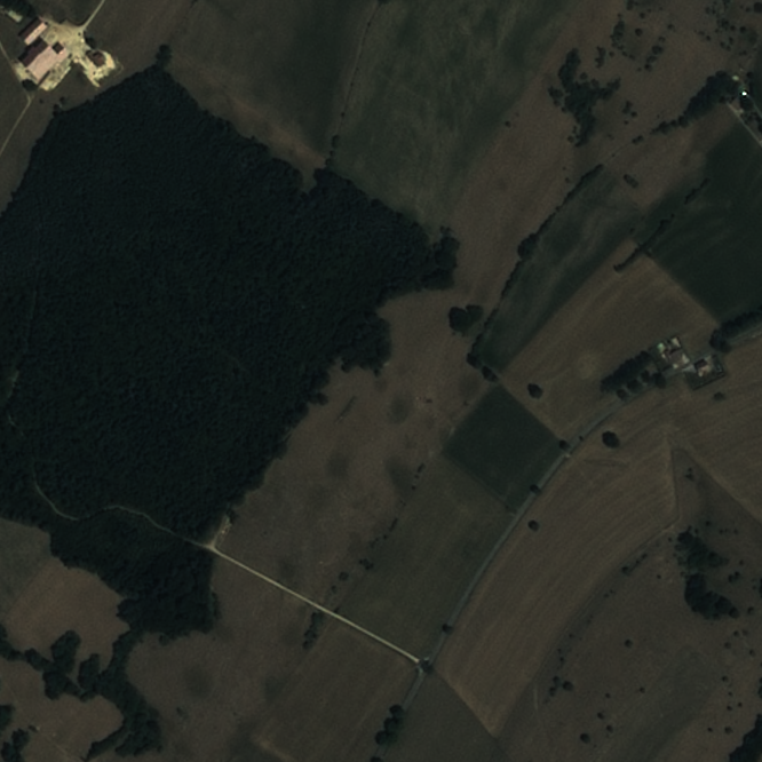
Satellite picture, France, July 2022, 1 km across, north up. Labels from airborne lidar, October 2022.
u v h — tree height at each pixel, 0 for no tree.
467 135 0
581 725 0
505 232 0
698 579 12
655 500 0
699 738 0
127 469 12
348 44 0
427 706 0
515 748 0
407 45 0
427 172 0
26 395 5
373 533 0
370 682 0
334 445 0
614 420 0
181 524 10
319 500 0
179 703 0
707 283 0
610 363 0
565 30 0
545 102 0
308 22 0
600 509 0
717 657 0
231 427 6
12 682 0
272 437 12
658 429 0
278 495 0
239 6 0
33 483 7
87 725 0
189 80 0
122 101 14
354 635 0
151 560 8
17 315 16
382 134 0
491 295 0
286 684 0
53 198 20
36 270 18
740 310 0
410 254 18
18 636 0
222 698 0
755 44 0
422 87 0
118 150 13
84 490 14
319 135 0
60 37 0
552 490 0
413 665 0
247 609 0
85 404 6
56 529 9
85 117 16
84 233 18
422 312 0
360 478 0
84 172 15
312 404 14
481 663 0
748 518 0
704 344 0
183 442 8
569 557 0
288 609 0
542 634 0
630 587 0
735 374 0
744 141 0
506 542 0
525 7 0
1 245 18
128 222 15
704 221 0
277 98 0
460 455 0
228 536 0
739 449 0
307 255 8
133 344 6
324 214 20
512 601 0
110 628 0
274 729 0
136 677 0
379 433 0
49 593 0
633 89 0
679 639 0
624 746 0
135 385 6
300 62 0
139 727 12
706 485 0
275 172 19
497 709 0
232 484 6
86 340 12
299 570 0
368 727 0
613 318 0
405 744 0
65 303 12
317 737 0
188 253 13
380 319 12
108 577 14
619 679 0
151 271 8
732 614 13
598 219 0
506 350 0
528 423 0
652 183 0
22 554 0
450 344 0
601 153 0
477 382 0
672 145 0
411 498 0
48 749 0
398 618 0
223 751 0
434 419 0
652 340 0
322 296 9
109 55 0
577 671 0
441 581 0
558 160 0
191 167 15
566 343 0
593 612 0
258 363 13
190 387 12
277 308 15
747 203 0
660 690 0
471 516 0
